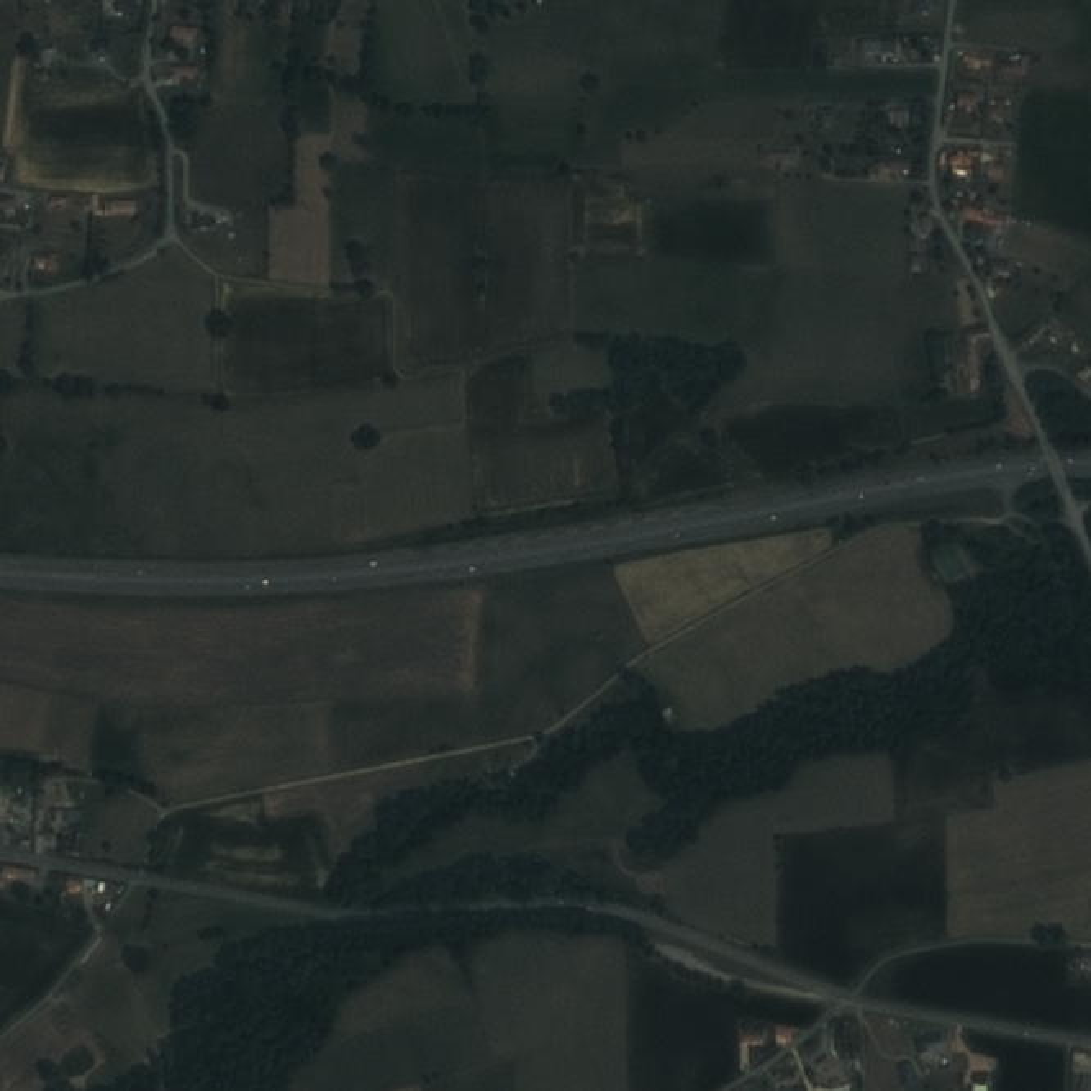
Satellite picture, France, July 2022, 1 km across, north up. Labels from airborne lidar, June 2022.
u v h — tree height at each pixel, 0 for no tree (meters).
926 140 12
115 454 0
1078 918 0
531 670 0
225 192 0
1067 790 0
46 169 0
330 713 0
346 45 0
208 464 0
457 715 0
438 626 0
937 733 0
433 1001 0
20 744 0
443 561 0
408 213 0
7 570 0
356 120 0
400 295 0
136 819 0
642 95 0
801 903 0
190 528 0
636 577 0
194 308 0
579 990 0
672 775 20
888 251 0
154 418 0
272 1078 28
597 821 0
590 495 0
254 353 0
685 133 0
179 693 0
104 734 0
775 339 0
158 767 0
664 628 0
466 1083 0
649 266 0
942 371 14
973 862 0
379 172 0
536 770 16
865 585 0
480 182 0
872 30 0
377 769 0
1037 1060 0
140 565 0
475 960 0
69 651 0
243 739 0
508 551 0
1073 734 0
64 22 0
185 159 0
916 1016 0
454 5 0
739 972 0
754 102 0
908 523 0
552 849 0
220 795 0
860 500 0
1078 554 17
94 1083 0
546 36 0
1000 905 0
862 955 0
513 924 19
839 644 0
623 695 0
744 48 0
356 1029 0
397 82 0
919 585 0
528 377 0
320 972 33
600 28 0
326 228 0
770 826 0
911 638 0
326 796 0
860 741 14
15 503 0
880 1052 0
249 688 0
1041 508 13
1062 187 0
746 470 0
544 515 10
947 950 0
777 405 0
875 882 0
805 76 0
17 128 0
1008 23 0
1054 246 0
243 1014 27
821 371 0
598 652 0
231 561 0
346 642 0
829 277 0
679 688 0
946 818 0
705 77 0
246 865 0
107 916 19
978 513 0
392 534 0
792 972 0
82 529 0
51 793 0
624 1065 0
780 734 30
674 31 0
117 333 0
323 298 0
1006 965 0
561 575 0
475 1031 0
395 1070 0
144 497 0
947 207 8
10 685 0
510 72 0
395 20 0
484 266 15
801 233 0
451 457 0
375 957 18
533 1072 0
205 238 0
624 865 0
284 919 0
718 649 0
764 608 0
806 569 0
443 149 0
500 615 0
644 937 8
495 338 0
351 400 0
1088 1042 0
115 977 0
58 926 0
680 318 0
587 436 0
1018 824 0
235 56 0
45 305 0
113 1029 0
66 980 0
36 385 0
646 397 11
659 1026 0
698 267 0
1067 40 0
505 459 0
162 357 0
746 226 0
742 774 21
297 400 0
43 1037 0
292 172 11
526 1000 0
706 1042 0
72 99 0
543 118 0
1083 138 0
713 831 0
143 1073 20
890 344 0
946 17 0
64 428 0
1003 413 13
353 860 21
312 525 0
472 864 19
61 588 0
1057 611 29
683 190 0
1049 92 0
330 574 0
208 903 0
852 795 0
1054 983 0
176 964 0
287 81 14
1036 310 0
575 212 0
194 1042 26
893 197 0
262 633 0
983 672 11
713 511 0
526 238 0
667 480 0
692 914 0
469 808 24
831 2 0
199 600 0
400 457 0
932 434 0
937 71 0
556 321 0
